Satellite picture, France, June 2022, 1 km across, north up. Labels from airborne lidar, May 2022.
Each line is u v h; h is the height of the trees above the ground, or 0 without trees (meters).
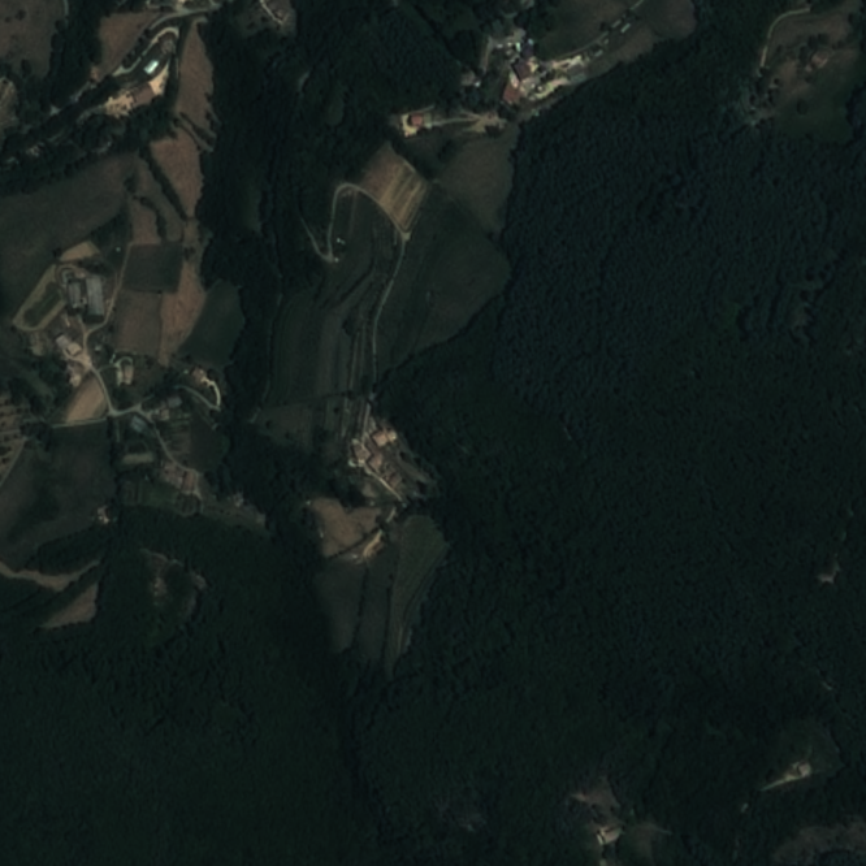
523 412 13
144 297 0
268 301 18
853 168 22
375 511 0
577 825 15
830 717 21
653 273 24
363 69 19
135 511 12
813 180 27
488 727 19
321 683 19
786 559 20
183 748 22
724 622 23
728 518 21
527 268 30
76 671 22
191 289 0
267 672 24
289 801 25
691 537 22
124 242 0
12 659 19
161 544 18
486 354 18
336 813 22
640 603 24
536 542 10
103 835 20
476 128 0
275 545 17
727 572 25
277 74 17
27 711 17
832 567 14
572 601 21
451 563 13
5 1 0
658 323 29
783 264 32
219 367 0
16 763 21
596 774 13
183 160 0
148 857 15
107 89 8
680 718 26
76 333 0
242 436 24
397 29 26
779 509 19
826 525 19
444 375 6
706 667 20
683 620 25
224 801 23
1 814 22
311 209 16
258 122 14
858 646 23
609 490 19
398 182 0
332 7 17
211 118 11
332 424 0
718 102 16
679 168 11
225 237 19
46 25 0
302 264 13
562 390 28
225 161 17
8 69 15
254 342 20
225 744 18
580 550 19
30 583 11
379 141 11
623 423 17
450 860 21
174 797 22
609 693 27
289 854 25
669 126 32
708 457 22
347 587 0
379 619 0
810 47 8
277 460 30
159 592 0
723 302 33
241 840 19
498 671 20
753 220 30
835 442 21
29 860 22
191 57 0
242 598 20
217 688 8
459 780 18
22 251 0
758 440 23
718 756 12
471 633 7
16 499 0
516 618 17
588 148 30
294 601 21
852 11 0
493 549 28
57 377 8
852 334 22
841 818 7
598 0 0
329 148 20
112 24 0
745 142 32
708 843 14
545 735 20
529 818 19
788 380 22
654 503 24
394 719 24
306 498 11
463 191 0
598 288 30
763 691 7
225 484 20
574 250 31
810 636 22
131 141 13
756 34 18
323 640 16
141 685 25
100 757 23
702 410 20
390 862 18
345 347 0
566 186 30
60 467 0
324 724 26
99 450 0
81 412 0
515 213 15
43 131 18
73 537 10
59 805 19
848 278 26
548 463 11
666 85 17
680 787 11
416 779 18
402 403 6
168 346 0
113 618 20
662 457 21
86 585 10
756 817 10
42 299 0
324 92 11
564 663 17
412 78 24
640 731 22
